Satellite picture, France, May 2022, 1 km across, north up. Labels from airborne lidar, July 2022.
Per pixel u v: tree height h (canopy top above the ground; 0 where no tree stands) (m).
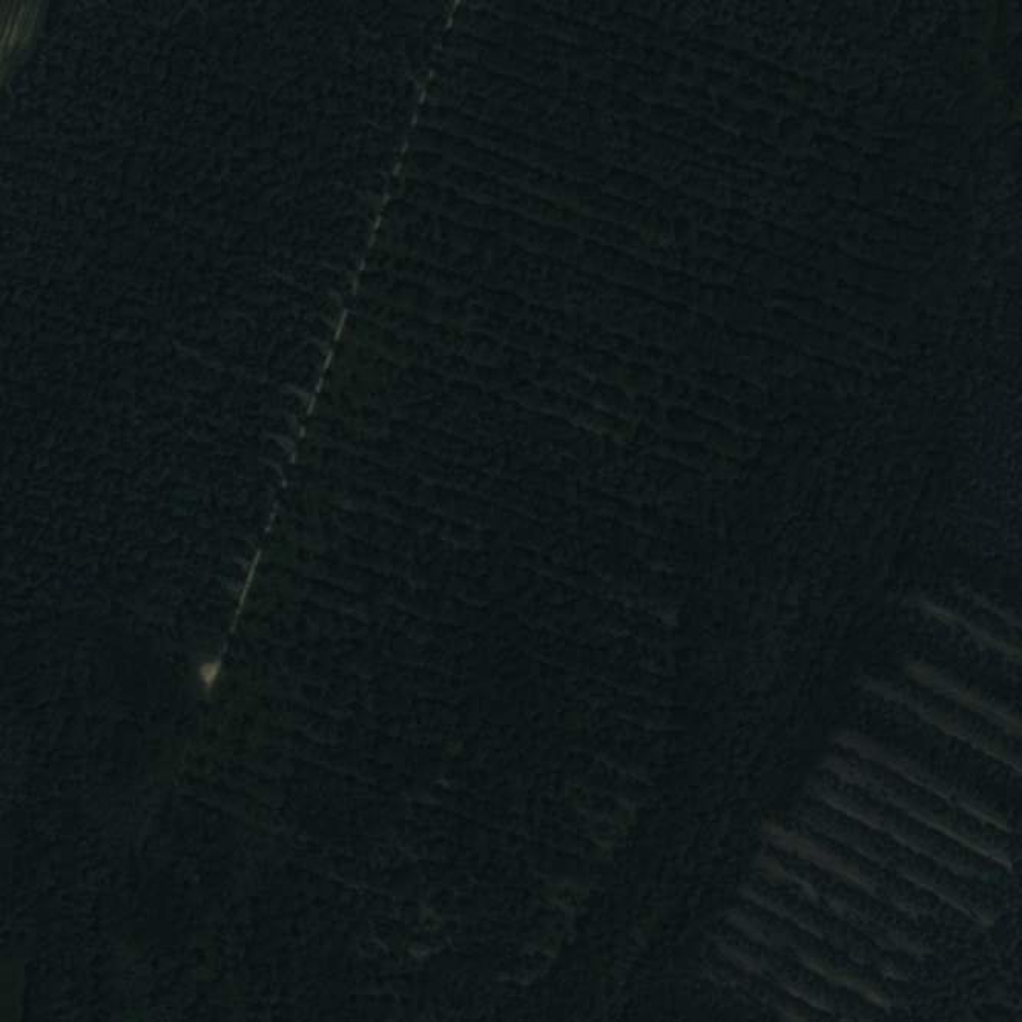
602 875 27
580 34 21
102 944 22
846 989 0
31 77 20
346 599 18
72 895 27
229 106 23
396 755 24
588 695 19
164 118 15
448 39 17
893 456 30
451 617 26
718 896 24
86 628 31
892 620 24
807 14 28
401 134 27
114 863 26
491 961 20
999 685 23
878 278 25
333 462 15
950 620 0
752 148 24
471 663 26
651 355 14
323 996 28
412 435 24
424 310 23
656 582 24
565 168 27
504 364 18
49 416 22
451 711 23
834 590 29
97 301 26
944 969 28
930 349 28
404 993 21
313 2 19
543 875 27
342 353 25
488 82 22
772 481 26
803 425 28
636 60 25
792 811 24
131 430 24
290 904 25
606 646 23
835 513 29
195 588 29
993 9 28
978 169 32
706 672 27
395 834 22
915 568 28
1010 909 29
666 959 28
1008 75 27
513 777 20
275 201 16
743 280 28
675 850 28
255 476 23
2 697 29
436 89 15
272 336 22
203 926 33
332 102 27
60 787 27
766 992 32
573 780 20
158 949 21
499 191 23
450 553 24
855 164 28
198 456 27
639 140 27
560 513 24
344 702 32
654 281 26
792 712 22
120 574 29
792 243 28
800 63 28
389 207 8
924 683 0
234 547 28
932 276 28
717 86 25
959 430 21
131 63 21
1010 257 20
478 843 26
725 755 30
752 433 24
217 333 27
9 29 0
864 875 31
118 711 33
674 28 22
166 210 22
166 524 26
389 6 19
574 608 25
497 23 19
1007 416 26
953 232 24
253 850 35
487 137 19
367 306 15
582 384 21
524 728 26
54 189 20
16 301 23
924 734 31
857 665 29
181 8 29
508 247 16
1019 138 28
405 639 21
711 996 29
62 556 25
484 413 21
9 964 16
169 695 31
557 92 24
